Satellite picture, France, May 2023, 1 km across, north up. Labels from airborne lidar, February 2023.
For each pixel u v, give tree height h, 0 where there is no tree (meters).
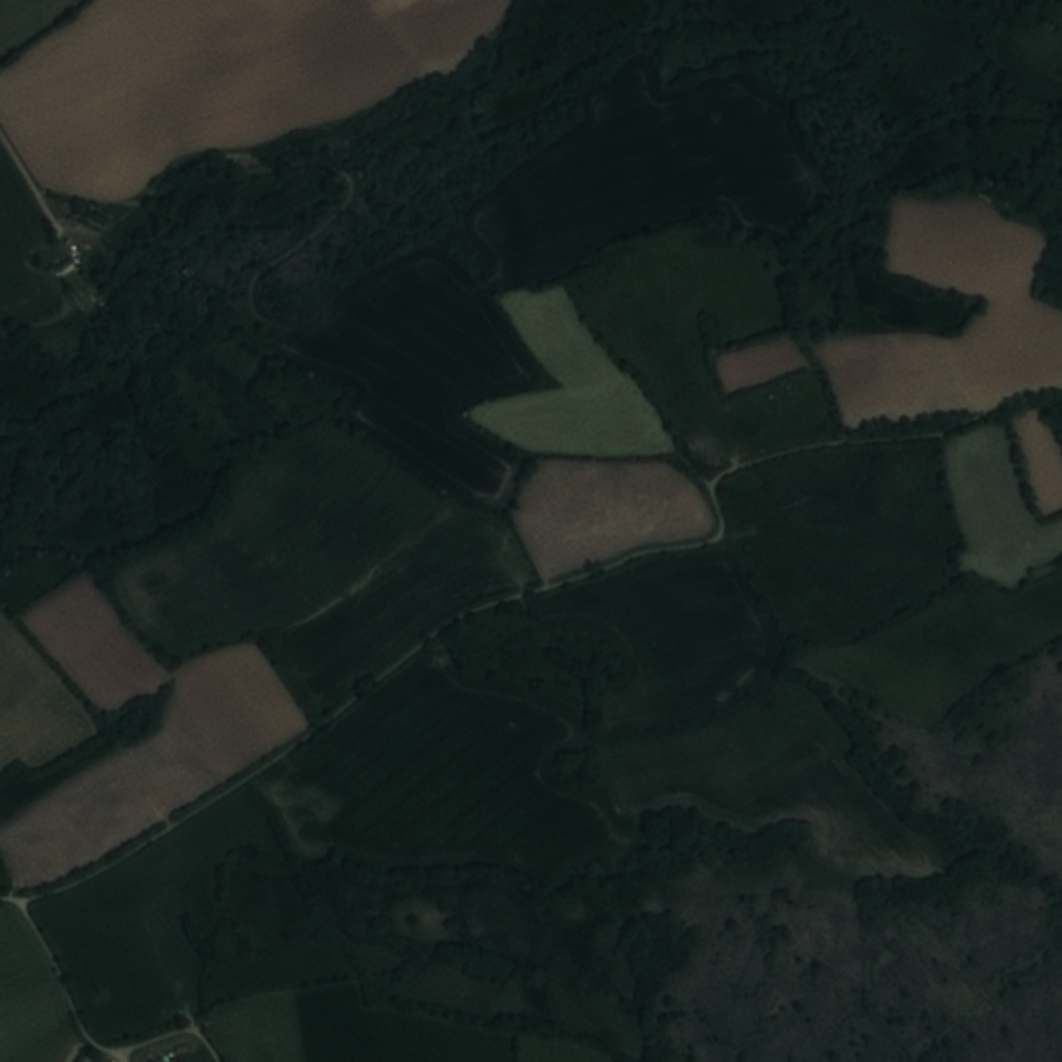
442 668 0
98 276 8
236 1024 0
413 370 0
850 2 0
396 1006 10
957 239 0
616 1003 0
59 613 0
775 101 0
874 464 0
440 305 0
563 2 0
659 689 0
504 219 0
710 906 0
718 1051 0
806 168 0
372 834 0
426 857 0
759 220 0
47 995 0
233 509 0
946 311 0
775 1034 0
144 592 0
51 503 8
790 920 0
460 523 0
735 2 0
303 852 0
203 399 0
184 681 0
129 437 9
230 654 0
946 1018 8
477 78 14
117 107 0
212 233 15
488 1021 6
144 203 11
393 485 0
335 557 0
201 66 0
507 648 0
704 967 0
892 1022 12
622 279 0
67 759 9
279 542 0
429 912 0
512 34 13
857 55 7
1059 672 8
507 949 0
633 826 0
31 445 10
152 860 0
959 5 11
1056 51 0
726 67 14
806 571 0
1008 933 0
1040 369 0
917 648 0
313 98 0
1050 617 0
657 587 0
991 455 0
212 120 0
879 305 0
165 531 12
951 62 0
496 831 0
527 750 0
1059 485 0
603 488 0
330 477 0
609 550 0
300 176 8
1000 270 0
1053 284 8
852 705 10
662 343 0
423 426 0
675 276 0
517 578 0
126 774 0
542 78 16
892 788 11
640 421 0
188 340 12
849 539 0
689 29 14
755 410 0
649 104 0
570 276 6
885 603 0
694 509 0
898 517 0
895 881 8
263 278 8
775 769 0
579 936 0
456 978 0
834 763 0
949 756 0
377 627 0
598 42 7
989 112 9
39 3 0
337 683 0
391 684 0
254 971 0
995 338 0
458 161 16
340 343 0
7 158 0
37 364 13
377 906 0
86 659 0
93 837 0
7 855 0
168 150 0
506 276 0
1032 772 0
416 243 8
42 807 0
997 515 0
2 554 7
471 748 0
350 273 8
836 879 0
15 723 0
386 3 0
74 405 16
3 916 0
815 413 0
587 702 9
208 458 0
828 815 0
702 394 0
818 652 0
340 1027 0
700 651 0
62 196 0
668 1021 12
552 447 0
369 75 0
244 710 0
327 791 0
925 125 8
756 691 0
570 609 0
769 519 0
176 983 0
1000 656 0
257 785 0
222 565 0
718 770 0
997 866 11
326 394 0
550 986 0
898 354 0
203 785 0
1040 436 0
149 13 0
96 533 0
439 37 0
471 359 0
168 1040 0
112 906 0
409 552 0
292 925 0
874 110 19
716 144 0
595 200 0
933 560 0
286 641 0
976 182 18
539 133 11
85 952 0
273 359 9
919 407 0
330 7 0
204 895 0
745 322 0
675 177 0
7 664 0
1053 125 9
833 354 0
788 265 12
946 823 12
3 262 0
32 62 0
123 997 0
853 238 8
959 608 0
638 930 13
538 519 0
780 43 15
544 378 0
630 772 0
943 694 0
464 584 0
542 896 12
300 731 0
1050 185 9
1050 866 0
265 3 0
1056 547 0
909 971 0
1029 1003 0
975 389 0
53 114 0
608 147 0
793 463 0
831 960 0
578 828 0
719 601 0
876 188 10
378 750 0
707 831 9
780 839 14
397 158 14
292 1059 0
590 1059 0
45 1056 0
